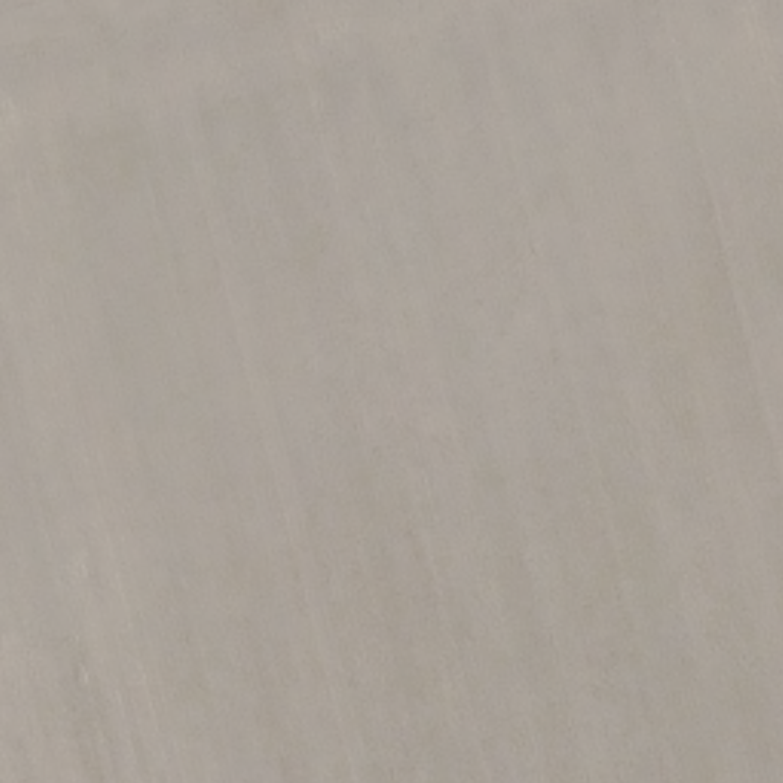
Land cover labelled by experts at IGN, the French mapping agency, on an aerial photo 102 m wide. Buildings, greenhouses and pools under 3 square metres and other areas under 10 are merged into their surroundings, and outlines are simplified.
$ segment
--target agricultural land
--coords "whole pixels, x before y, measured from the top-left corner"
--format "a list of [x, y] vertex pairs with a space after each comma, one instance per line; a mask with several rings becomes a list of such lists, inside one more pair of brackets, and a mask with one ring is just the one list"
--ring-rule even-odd
[[0, 783], [783, 783], [783, 0], [0, 0]]

